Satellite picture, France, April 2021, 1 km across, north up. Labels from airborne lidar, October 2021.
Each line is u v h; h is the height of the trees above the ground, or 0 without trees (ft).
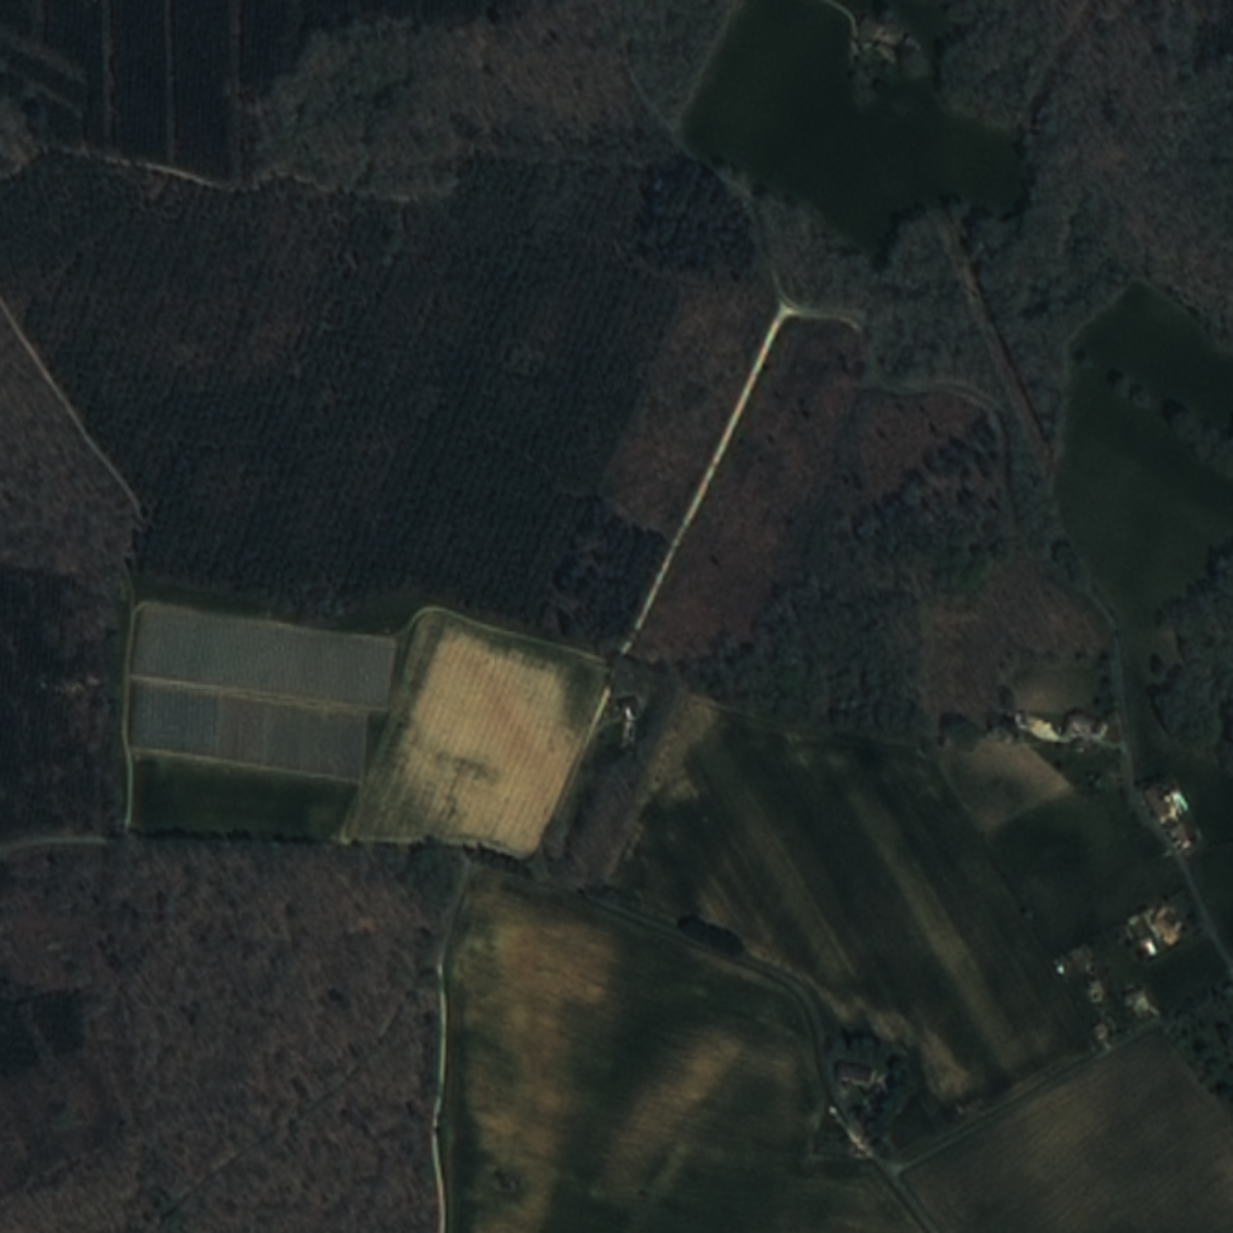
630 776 90
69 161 30
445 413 37
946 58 68
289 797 0
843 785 0
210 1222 55
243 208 35
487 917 0
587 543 67
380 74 63
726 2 68
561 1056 0
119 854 44
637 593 48
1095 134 60
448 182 43
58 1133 45
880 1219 0
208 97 27
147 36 33
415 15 25
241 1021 28
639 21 70
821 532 48
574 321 36
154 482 36
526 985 0
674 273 54
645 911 0
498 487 40
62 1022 27
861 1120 44
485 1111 0
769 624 46
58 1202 61
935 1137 0
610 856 86
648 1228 0
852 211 0
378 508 33
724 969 0
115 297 31
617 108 59
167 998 20
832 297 75
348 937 48
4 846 0
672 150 77
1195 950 0
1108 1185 0
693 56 73
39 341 27
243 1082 42
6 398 48
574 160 65
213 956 36
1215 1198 0
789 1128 0
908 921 0
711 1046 0
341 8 27
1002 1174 0
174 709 0
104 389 35
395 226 28
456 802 0
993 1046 0
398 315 31
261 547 41
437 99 71
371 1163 31
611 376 40
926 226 74
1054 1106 0
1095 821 0
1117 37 60
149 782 0
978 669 40
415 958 57
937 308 77
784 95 0
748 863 0
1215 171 60
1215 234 69
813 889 0
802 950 0
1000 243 66
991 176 0
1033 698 0
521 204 35
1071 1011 0
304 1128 48
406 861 45
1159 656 0
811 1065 0
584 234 42
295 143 55
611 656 58
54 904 34
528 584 40
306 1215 60
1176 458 0
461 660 0
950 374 54
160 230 35
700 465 24
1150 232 68
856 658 61
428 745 0
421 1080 55
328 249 28
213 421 29
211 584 35
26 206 38
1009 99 74
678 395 25
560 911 0
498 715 0
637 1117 0
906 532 64
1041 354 70
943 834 0
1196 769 0
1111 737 0
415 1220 33
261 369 27
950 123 0
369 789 0
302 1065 48
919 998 0
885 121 0
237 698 0
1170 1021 48
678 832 0
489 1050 0
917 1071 0
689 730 0
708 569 21
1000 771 0
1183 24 60
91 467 41
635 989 0
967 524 66
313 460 42
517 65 50
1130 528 0
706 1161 0
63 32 32
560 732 0
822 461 25
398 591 28
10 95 30
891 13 53
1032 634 46
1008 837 0
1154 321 0
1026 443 81
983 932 0
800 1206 0
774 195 31
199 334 29
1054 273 60
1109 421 0
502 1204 0
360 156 54
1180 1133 0
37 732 20
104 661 22
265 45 28
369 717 0
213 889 43
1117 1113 0
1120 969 0
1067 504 0
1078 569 81
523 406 39
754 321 26
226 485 38
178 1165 31
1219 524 0
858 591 61
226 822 0
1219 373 0
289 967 65
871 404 31
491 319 42
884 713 63
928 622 31
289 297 27
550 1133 0
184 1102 34
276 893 54
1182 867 0
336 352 34
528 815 0
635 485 26
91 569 40
